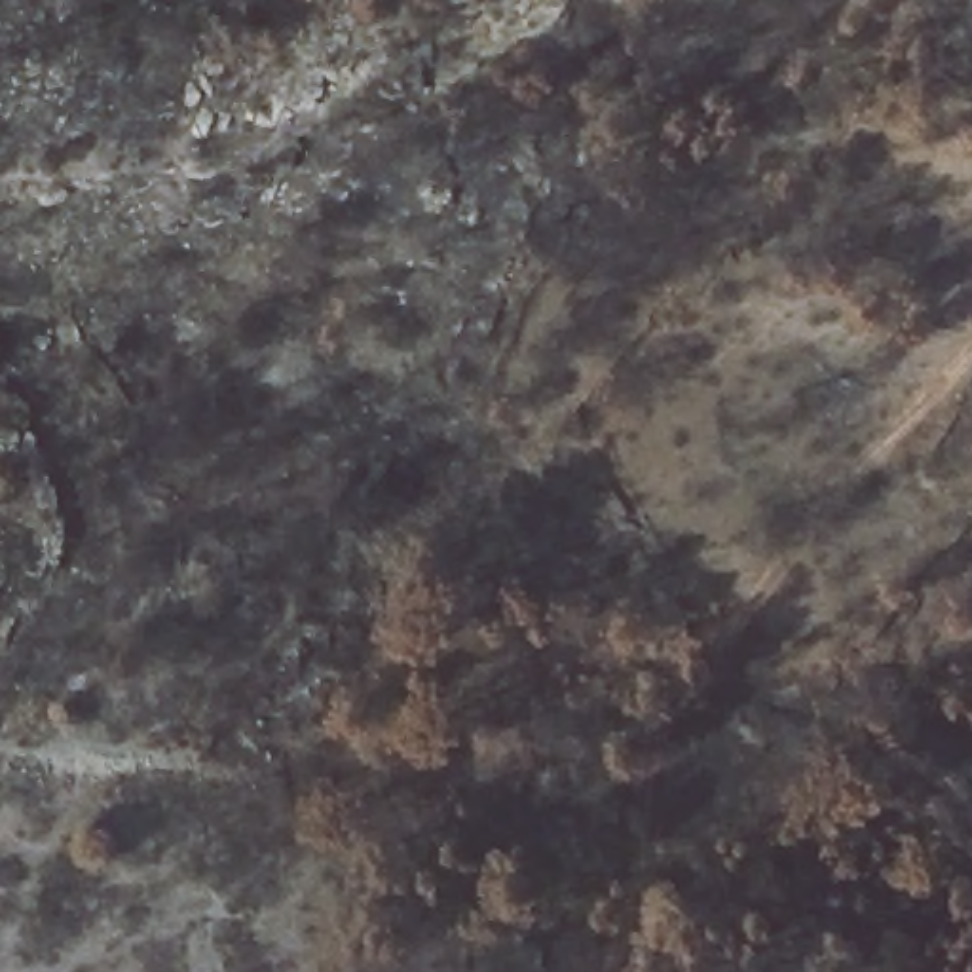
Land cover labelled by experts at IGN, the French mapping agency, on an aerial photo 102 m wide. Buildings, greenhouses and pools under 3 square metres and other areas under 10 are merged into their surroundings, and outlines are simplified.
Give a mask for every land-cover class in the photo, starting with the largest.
<instances>
[{"label":"bare soil","instance_id":"1","mask_svg":"<svg viewBox=\"0 0 972 972\"><path fill-rule=\"evenodd\" d=\"M847 0H0V972H346L353 957L338 949L330 930L334 885L315 869V862H304L311 843H296V801L311 794H330L342 786V778L380 790L387 771L357 763V756L342 740H330L323 733V721L334 699H349L353 725H387L406 702V680H421V664H391L380 657L372 642L376 592L383 585V570L365 566L361 551L368 539H376L380 528L391 543H406V535H418L425 543V558L418 566L425 573V589L440 581L452 589V615L444 634H463L467 626L494 623L505 611L501 592H516L528 604L589 608L596 623L604 615H623L626 638H649L657 626H680L695 638L691 680H680L676 664L668 661H657L649 672L653 702L642 721L672 729L664 733L642 778H653L680 763H695L699 771L714 775L718 790L714 801L702 813H695L683 828H676L672 839L653 843V854L638 851V873H619V881L608 885V892H600V904L608 911L596 934H604L615 945L611 972H638L630 964V942L642 926V900L649 888L668 892L695 854L714 851L721 866L737 869L744 851L763 854L778 843V801L786 797L794 752L801 748L809 729L805 702L816 695L869 702L892 725V763L907 775L919 767L942 771V782L953 786L957 797L972 809V87L942 99V118H934L930 125H923L919 106H911L892 84L877 91L869 110L824 118L801 133L756 137L744 159V175L752 186L737 190L729 205H718L714 213L691 216L683 228L661 224L645 205H634L623 190H615L626 178V159H619V152L626 148V140L611 129L615 114L626 103L623 95L664 87L668 80L691 76L706 61H725L729 68L744 65L748 76L763 65H778L786 72L797 49H809L839 23Z\"/></svg>","mask_w":972,"mask_h":972},{"label":"coniferous trees","instance_id":"2","mask_svg":"<svg viewBox=\"0 0 972 972\"><path fill-rule=\"evenodd\" d=\"M892 84L911 106H919L923 125H930L934 118H942V99L972 87V0H847L839 23L809 49H797L786 72L778 65H763L748 76L744 65L729 68L725 61H706L691 76L668 80L664 87L623 95L626 103L615 114L611 129L626 140V148L619 152V159H626V178L615 190H623L634 205H645L661 224L683 228L691 216L714 213L718 205H729L737 190L752 186L744 175V159L756 137L801 133L824 118L869 110L877 91ZM365 566L383 570V585L376 592L372 642L380 657L391 664H421V680H406V702L387 725H353L349 699H334L323 721V733L330 740H342L357 756V763L387 771L380 790L342 778V786L330 794H311L296 801V843H311L304 862H315V869L334 885L330 930L338 949L353 957L346 972H611L615 945L604 934H596L608 911L600 904V892H608V885L619 881V873H638V851L653 854V843L672 839L676 828H683L695 813H702L714 801L718 790L714 775L699 771L695 763H680L653 778H642L664 733L672 729L642 721L653 702L649 672L657 661H668L676 664L680 680H691L695 638L680 626H657L649 638H626L623 615H604L596 623L589 608L528 604L516 592H501L505 611L494 623L467 626L463 634H444L452 615V589L440 581L425 589V573L418 566L425 558V543L418 535H406V543H391L380 528L376 539H368L361 551ZM809 729L801 748L794 752L786 797L778 801V843L763 854L744 851L737 869L721 866L714 851L695 854L668 892L649 888L642 900V926L630 942V964L638 972H972V809L957 797L953 786L942 782V771L919 767L907 775L892 763V725L869 702L816 695L805 702Z\"/></svg>","mask_w":972,"mask_h":972}]
</instances>
